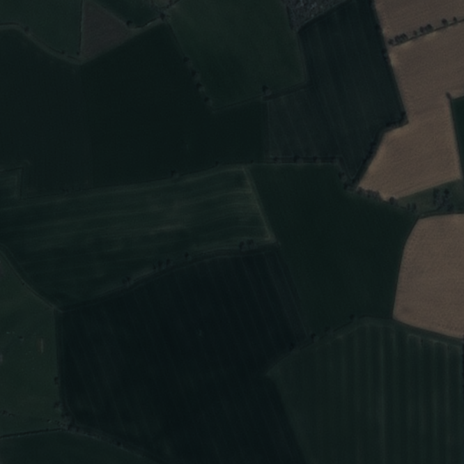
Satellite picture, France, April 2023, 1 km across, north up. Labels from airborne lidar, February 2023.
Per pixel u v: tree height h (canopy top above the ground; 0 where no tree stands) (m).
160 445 0
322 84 0
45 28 0
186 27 0
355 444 0
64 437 0
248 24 0
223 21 0
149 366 0
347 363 0
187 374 0
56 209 0
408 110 0
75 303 0
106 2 0
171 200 0
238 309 0
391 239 0
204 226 0
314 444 0
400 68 0
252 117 0
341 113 0
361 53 0
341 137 0
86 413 0
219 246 0
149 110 0
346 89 0
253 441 0
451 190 0
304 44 0
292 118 0
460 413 0
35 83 0
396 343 0
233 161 0
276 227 0
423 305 0
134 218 0
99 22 0
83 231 0
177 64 0
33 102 0
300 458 0
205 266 0
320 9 17
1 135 0
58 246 0
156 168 0
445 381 0
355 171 0
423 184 0
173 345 0
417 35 14
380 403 0
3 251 0
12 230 0
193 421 0
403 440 0
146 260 0
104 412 0
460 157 0
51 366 0
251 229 0
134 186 0
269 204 0
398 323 0
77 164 0
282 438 0
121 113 0
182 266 0
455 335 0
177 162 0
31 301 0
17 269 0
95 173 0
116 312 0
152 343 0
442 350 0
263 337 0
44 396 0
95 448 0
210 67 0
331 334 11
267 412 0
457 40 0
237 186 0
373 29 0
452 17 0
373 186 0
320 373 0
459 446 0
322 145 0
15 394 0
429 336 0
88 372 0
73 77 0
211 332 0
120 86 0
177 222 0
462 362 0
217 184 0
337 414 0
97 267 0
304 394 0
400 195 0
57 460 0
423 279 0
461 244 0
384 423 0
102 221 0
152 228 0
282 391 0
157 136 0
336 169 0
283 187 0
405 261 0
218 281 0
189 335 0
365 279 0
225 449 0
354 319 12
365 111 0
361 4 0
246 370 0
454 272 0
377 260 0
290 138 0
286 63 0
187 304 0
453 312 0
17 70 0
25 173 0
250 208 0
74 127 0
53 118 0
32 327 0
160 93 0
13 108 0
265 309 0
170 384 0
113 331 0
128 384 0
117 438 0
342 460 0
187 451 0
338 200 0
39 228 0
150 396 0
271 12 0
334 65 0
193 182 0
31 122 0
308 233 0
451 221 0
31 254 0
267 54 0
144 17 0
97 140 0
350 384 0
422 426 0
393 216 0
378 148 16
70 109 0
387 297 0
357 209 0
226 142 0
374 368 0
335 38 0
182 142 0
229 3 0
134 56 0
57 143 0
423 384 0
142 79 0
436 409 0
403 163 0
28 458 0
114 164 0
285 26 0
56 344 0
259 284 0
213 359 0
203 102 0
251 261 0
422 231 0
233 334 0
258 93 0
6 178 0
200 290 0
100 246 0
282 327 0
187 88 0
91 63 0
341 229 0
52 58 0
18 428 0
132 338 0
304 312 0
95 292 0
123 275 0
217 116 0
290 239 0
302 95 0
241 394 0
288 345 0
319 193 0
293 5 20
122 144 0
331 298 0
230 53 0
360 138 0
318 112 0
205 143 0
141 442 0
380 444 0
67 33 0
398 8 0
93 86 0
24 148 0
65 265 0
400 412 0
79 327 0
